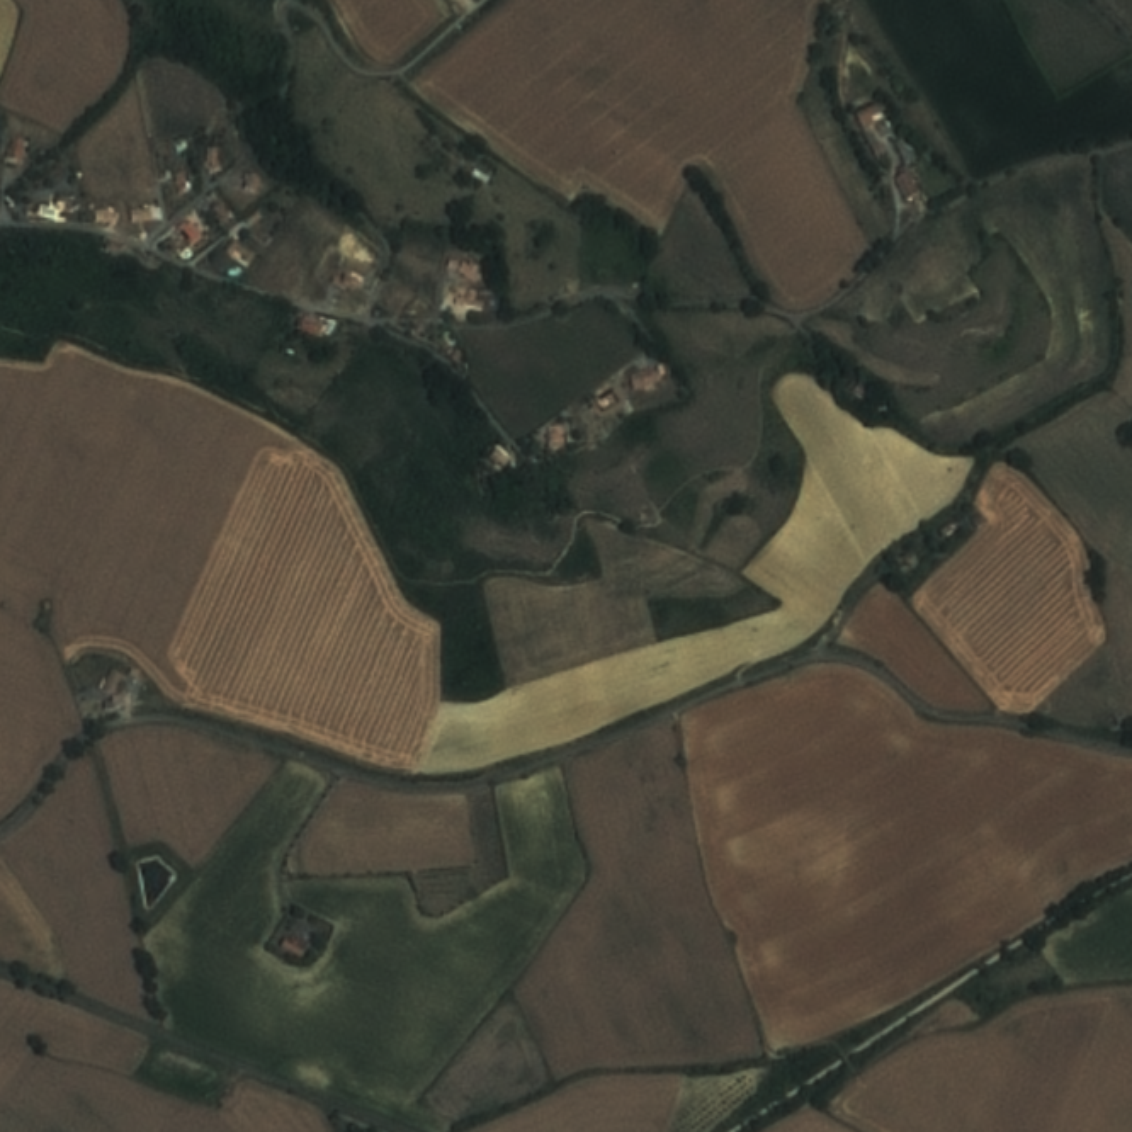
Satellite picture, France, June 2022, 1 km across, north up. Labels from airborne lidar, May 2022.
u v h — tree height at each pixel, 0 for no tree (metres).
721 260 0
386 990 0
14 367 0
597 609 0
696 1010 0
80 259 6
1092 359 0
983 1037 0
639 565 0
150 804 0
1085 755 0
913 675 0
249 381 8
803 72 0
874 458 0
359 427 0
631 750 0
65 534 0
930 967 0
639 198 0
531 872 0
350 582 0
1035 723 15
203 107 0
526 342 0
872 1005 0
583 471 0
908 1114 0
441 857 0
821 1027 0
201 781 0
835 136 0
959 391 0
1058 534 0
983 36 0
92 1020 0
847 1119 0
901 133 10
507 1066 0
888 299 0
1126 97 0
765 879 0
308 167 15
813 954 0
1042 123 0
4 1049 0
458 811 0
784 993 0
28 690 0
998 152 0
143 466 0
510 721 0
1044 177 0
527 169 0
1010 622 0
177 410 0
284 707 0
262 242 0
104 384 0
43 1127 0
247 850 0
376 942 0
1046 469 0
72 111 0
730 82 0
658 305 13
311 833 0
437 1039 0
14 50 0
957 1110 0
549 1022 0
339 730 0
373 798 0
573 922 0
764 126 0
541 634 0
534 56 0
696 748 0
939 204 11
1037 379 0
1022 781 0
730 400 0
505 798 0
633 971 0
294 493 0
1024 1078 0
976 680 0
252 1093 0
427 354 7
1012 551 0
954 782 0
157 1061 0
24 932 0
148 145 0
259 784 0
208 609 0
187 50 13
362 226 9
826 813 0
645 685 0
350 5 0
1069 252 0
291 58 10
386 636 0
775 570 0
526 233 0
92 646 0
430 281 0
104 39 0
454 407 8
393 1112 0
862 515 0
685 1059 0
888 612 0
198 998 0
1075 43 0
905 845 0
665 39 0
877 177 7
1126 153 0
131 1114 0
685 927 0
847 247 0
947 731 0
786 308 0
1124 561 0
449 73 0
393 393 0
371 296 0
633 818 0
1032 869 0
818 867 0
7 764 0
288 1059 0
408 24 0
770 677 0
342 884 0
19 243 6
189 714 7
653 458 0
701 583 0
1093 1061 0
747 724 0
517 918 0
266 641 0
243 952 0
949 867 0
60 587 0
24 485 0
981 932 0
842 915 0
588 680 0
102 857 0
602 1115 0
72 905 0
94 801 0
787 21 0
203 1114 0
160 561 0
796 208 0
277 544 0
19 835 0
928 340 0
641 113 0
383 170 0
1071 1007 0
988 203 0
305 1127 0
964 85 0
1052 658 0
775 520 0
